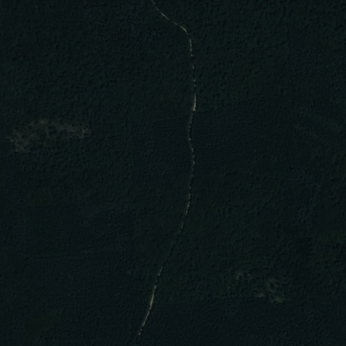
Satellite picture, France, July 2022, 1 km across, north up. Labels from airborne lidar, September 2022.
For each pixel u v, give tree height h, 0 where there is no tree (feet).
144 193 67
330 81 73
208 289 55
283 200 74
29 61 68
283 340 100
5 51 68
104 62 64
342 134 85
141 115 78
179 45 77
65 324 68
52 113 63
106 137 64
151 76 70
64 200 69
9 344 70
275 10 81
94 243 43
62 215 57
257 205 69
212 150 77
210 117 72
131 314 61
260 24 60
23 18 82
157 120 50
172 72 58
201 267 88
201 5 55
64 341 70
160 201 54
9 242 59
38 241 55
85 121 51
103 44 65
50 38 80
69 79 72
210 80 80
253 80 71
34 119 60
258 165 72
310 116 101
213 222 76
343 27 77
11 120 64
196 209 60
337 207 80
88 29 83
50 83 70
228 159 73
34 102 82
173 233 71
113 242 62
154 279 74
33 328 62
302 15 87
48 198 76
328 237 86
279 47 70
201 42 72
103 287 68
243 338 75
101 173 68
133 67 69
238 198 64
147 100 65
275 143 35
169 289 63
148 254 76
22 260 56
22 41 94
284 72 77
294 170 100
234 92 69
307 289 84
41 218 53
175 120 68
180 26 37
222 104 31
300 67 83
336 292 56
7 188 56
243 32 62
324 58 64
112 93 81
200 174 69
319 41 72
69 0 90
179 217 31
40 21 84
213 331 62
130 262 69
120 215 50
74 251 56
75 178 69
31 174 77
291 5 64
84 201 65
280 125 52
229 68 64
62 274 54
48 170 80
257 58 82
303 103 76
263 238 78
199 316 53
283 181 84
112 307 80
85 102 51
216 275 66
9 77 47
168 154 68
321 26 91
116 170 72
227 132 74
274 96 45
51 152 62
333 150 58
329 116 73
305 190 68
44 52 88
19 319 72
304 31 76
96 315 73
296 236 78
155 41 78
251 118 68
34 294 57
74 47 68
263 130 52
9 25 69
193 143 43
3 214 58
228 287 77
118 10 60
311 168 58
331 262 87
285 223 87
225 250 61
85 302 79
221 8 73
